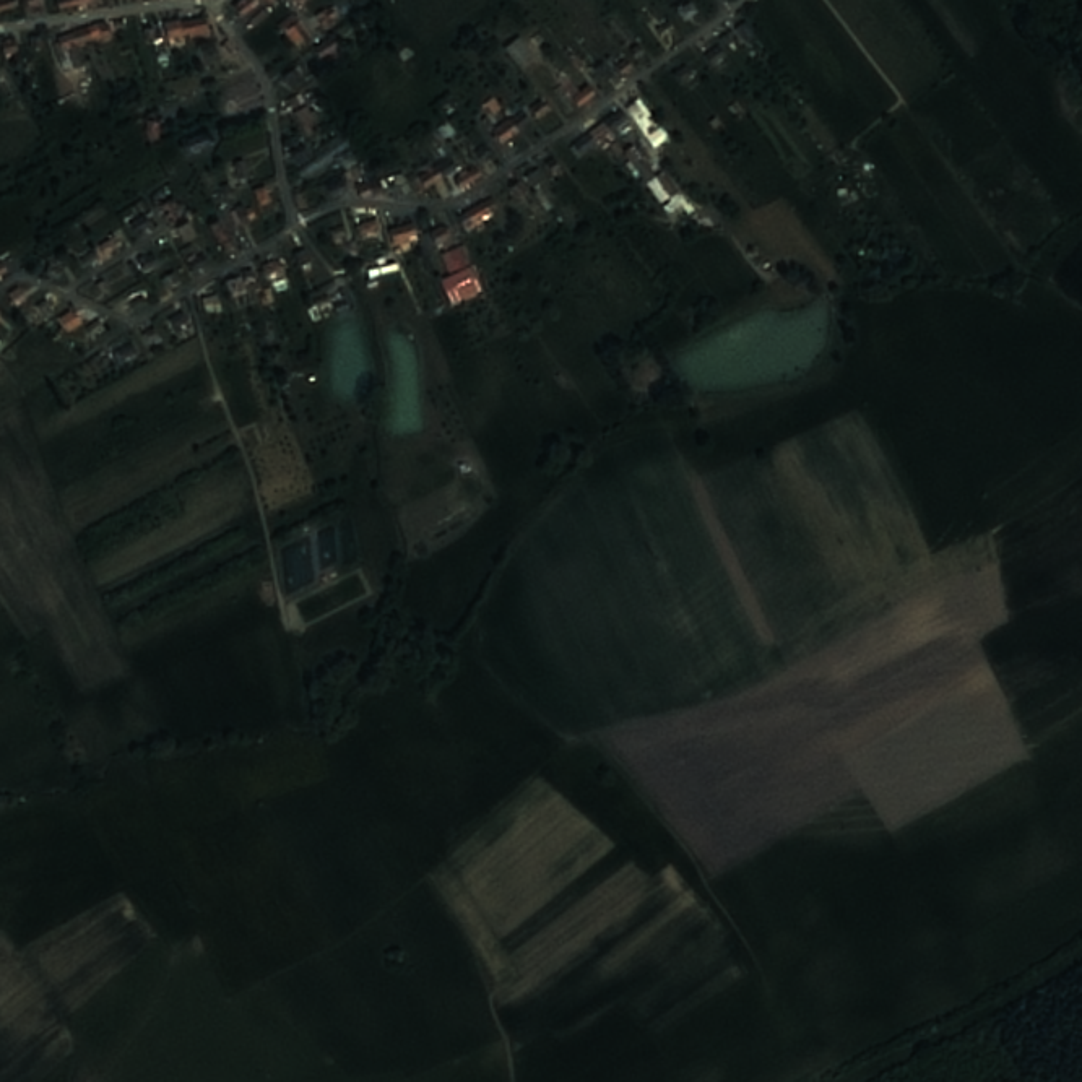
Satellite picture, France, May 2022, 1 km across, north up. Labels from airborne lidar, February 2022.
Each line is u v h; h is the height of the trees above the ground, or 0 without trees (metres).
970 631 0
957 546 0
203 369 0
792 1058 0
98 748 0
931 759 0
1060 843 0
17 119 0
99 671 0
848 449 0
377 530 0
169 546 0
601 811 0
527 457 0
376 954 0
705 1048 0
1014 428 0
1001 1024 9
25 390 0
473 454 0
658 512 0
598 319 0
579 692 0
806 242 0
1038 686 0
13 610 0
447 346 0
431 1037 0
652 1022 0
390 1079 0
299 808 0
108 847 0
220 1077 0
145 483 0
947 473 0
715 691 0
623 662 0
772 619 0
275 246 0
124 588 7
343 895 0
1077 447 0
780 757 0
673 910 0
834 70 0
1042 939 0
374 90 0
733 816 0
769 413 0
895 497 0
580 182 0
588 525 0
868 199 0
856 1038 0
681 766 0
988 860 0
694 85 0
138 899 0
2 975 0
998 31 0
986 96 0
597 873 0
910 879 0
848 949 0
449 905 0
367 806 0
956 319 0
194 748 0
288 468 0
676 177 7
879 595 0
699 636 0
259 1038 0
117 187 0
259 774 0
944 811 0
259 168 0
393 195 0
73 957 0
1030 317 0
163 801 0
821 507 0
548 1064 0
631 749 0
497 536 0
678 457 0
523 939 0
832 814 0
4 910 0
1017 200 0
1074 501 0
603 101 0
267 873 0
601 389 0
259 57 0
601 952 0
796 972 0
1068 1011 20
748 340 0
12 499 0
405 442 0
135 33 0
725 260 0
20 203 0
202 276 0
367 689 16
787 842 0
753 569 0
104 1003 0
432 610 0
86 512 0
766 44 7
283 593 0
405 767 0
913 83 0
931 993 0
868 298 11
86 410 0
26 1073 0
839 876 0
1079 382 0
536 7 0
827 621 0
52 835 0
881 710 0
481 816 0
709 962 0
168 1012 0
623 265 0
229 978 0
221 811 0
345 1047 0
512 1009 0
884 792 0
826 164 0
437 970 0
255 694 0
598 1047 0
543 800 0
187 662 0
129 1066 0
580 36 0
